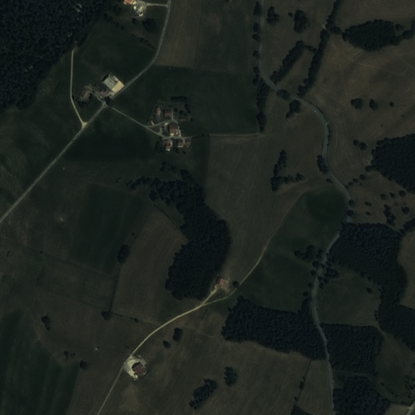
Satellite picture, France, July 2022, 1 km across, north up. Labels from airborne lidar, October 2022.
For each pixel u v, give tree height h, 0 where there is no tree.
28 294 0
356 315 0
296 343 23
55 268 0
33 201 0
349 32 14
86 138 0
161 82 0
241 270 0
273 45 0
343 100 0
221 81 0
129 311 0
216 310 0
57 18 36
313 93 0
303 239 0
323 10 0
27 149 0
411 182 16
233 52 0
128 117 0
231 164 0
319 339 21
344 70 0
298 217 0
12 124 0
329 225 0
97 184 0
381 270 10
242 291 0
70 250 0
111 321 0
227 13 0
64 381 0
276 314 25
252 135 0
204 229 21
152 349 0
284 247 0
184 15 0
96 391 0
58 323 0
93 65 0
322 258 17
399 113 0
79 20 29
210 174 0
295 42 0
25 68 18
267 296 0
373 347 12
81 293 0
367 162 0
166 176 0
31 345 0
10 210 0
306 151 0
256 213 0
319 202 0
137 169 0
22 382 0
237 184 0
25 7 26
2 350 0
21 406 0
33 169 0
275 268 0
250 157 0
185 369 0
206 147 0
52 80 0
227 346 0
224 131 0
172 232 0
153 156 0
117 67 0
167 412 0
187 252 17
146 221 0
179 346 0
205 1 0
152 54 0
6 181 0
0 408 0
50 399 0
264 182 0
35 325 0
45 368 0
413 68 0
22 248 0
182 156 0
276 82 8
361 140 0
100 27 0
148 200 0
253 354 0
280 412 0
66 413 0
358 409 30
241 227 0
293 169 0
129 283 0
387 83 0
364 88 0
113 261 0
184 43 0
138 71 0
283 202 0
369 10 0
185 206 21
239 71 0
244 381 0
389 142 15
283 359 0
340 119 0
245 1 0
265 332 23
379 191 0
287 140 0
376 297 0
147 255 0
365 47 10
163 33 0
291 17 12
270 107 0
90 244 0
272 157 0
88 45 0
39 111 0
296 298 0
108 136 0
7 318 0
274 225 0
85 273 0
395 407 0
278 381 0
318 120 0
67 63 0
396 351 0
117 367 0
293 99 0
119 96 0
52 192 0
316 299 0
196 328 0
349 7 0
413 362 0
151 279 0
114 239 0
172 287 19
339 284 0
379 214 0
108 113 0
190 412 0
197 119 0
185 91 0
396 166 15
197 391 0
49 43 34
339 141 0
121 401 0
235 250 0
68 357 19
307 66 0
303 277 0
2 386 0
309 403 0
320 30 0
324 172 20
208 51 0
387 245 30
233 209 0
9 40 29
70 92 0
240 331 20
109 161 0
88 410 0
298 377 0
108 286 0
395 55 0
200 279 14
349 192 0
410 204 0
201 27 0
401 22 0
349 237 11
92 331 0
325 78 0
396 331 14
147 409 0
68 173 0
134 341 0
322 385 0
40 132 0
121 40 0
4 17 38
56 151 0
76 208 0
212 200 0
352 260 12
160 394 0
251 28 0
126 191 0
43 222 0
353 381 9
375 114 0
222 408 0
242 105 0
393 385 0
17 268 0
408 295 0
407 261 0
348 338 16
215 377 0
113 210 0
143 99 0
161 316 0
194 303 0
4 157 0
